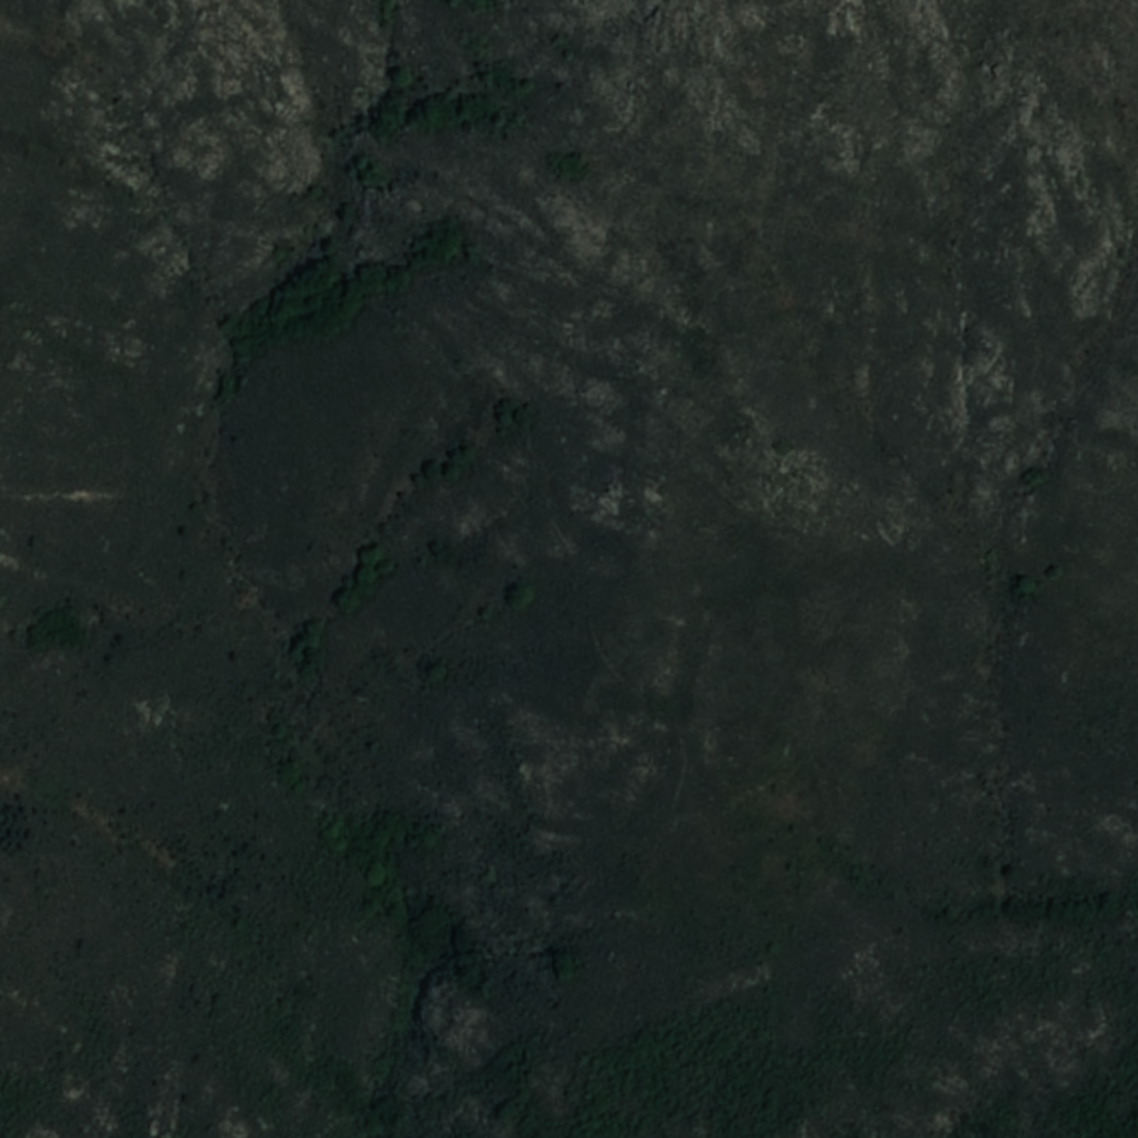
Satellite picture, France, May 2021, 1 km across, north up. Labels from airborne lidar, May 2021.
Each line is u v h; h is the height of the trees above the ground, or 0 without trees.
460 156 0
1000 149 0
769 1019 7
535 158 0
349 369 0
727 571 0
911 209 0
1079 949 7
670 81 0
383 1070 11
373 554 20
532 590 6
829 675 0
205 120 0
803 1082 9
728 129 0
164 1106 0
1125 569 0
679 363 0
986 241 0
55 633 11
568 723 0
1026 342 0
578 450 0
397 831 19
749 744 0
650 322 0
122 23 0
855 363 0
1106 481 0
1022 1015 0
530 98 0
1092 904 18
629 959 0
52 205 0
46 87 0
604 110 0
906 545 0
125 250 0
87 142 0
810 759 0
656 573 0
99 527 0
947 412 0
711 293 0
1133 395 0
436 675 15
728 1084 7
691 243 0
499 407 9
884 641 0
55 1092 7
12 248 0
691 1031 9
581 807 0
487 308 0
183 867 7
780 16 0
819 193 0
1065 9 0
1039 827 0
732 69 0
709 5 0
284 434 0
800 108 0
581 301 0
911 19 0
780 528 0
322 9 0
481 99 9
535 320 0
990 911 13
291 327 14
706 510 0
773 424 0
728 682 0
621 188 0
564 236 0
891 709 0
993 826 7
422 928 27
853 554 0
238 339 13
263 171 0
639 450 0
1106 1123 15
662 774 0
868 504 0
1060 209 0
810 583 0
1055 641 0
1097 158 0
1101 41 0
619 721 0
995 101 0
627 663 0
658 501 0
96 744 0
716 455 0
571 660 0
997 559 9
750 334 0
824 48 0
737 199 0
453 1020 5
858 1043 7
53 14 0
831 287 0
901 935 7
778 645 0
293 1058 8
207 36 0
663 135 0
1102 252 0
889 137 0
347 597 22
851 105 0
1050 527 0
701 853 0
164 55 0
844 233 0
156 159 8
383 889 17
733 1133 10
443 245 17
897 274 0
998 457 0
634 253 0
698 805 0
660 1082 12
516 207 0
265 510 0
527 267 0
